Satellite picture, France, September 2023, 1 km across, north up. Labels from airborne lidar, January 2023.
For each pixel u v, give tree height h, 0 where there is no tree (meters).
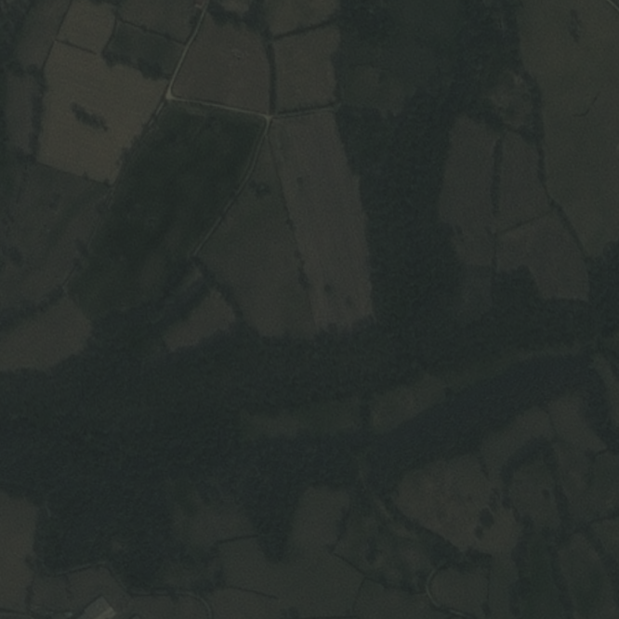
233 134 0
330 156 0
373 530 0
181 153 0
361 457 0
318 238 0
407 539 0
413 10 0
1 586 0
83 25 0
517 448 0
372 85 0
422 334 16
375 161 20
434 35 0
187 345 0
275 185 0
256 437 0
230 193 0
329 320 0
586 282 0
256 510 19
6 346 0
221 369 16
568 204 0
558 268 0
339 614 0
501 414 21
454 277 14
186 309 24
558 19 0
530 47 0
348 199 0
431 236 22
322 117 0
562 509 17
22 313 14
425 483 0
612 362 0
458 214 0
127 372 18
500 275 8
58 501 18
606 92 0
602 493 0
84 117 13
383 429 0
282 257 0
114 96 0
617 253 16
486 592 0
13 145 0
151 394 20
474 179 0
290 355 15
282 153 0
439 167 18
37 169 0
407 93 0
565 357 0
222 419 8
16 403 24
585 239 0
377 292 20
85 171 0
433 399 0
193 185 0
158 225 0
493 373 0
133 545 9
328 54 0
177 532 0
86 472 18
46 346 0
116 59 11
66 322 0
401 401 0
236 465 25
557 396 18
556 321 13
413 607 0
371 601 0
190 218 0
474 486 0
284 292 0
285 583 0
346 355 14
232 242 0
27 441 21
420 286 21
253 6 8
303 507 0
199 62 0
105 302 0
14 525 0
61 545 6
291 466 22
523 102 0
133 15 0
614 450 19
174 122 0
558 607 0
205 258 0
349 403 0
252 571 0
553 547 14
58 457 15
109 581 0
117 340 22
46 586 0
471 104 20
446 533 0
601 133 0
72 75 0
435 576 0
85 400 22
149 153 0
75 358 10
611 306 22
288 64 0
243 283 0
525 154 0
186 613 0
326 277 0
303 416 0
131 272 0
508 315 16
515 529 0
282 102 0
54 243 0
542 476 0
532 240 0
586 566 0
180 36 0
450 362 18
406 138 20
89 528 19
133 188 0
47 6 0
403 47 0
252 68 0
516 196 0
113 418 15
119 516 9
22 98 0
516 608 18
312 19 0
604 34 0
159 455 8
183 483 0
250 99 0
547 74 0
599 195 0
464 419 25
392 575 0
